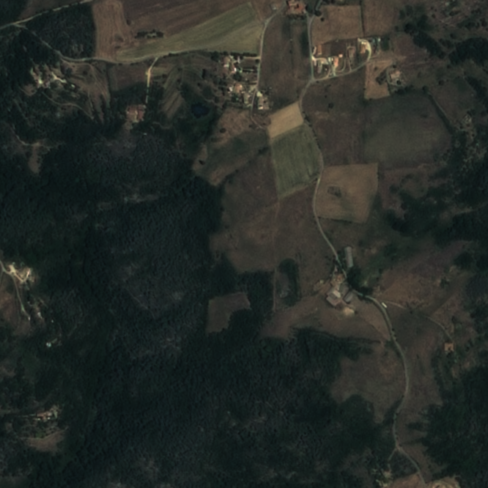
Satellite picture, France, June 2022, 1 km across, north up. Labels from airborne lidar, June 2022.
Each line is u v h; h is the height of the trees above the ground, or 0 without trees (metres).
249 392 10
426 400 0
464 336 0
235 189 0
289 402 15
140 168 8
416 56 0
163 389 6
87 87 0
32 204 19
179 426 16
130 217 15
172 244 11
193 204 10
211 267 7
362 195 0
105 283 12
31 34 14
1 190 10
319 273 0
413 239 0
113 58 0
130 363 11
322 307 0
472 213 7
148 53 0
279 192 0
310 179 0
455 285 0
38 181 11
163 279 7
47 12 5
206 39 0
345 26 0
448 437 9
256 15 0
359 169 0
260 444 12
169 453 9
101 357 9
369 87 0
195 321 7
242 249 0
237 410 9
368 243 0
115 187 18
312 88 0
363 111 0
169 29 0
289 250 0
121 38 0
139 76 0
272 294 6
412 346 0
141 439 9
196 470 12
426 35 6
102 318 8
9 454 14
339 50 0
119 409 11
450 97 0
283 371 11
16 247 11
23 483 0
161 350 10
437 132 0
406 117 0
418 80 0
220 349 8
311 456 12
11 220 15
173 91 0
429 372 0
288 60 0
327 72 0
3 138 10
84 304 7
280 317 0
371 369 0
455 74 0
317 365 7
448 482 0
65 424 8
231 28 0
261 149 7
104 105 7
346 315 0
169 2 0
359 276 13
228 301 0
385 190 0
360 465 6
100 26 0
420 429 6
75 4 6
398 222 10
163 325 14
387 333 0
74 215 11
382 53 0
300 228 0
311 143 0
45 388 10
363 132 0
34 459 14
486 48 19
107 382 18
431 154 0
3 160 17
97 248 17
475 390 7
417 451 0
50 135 13
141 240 14
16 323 0
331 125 0
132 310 10
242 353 16
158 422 13
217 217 8
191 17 0
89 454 6
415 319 0
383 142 0
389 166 0
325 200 0
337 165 0
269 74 0
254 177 0
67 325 11
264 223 0
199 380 14
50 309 6
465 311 0
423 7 0
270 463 12
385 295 0
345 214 0
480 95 10
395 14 0
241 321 10
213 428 7
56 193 14
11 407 9
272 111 0
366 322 0
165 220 14
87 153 12
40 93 12
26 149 7
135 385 7
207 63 0
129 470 12
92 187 17
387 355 0
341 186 0
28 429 9
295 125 0
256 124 0
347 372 0
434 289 0
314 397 15
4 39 10
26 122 12
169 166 11
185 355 9
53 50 9
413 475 0
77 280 19
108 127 8
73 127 12
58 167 12
